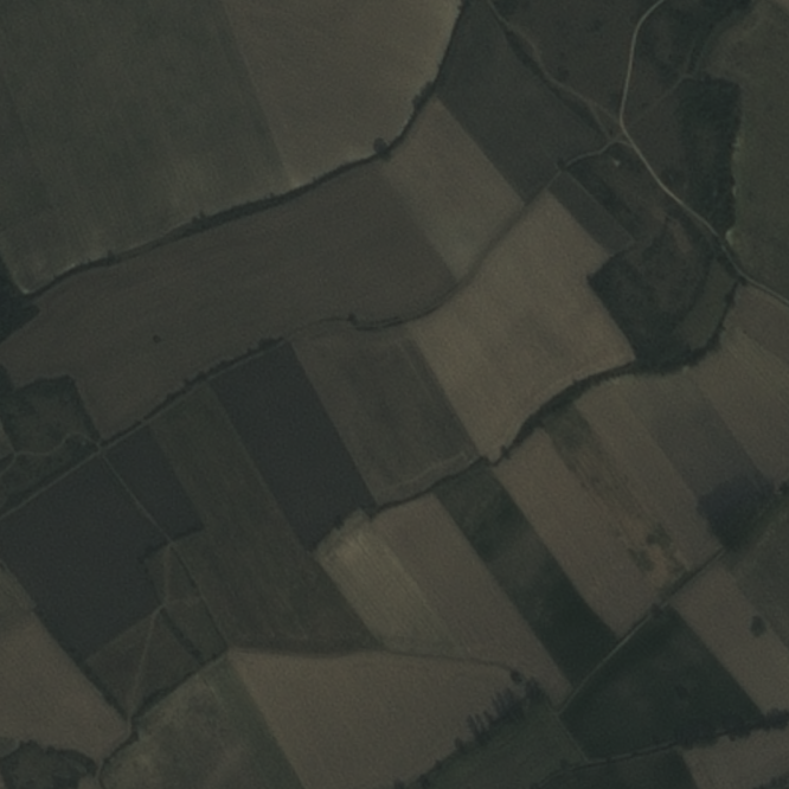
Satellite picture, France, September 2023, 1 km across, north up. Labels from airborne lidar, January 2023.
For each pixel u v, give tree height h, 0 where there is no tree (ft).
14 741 0
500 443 0
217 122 0
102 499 0
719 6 19
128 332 0
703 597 0
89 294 0
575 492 0
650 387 0
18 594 0
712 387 0
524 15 0
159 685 0
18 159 0
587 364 0
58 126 0
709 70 0
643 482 0
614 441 0
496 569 0
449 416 0
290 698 0
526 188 0
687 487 0
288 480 0
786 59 0
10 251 0
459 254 0
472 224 0
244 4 0
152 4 0
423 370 0
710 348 31
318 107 0
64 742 0
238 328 0
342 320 0
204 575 0
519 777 0
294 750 0
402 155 0
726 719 0
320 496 0
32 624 0
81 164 0
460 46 0
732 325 0
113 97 0
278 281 0
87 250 0
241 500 0
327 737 0
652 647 0
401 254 0
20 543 0
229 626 0
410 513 0
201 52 0
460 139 0
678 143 0
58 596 0
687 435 0
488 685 0
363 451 0
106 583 0
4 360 0
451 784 0
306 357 0
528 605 0
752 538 0
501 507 0
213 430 0
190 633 0
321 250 0
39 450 0
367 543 0
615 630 0
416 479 0
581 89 0
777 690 0
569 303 0
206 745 0
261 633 0
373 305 0
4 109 0
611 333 0
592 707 0
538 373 0
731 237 0
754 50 0
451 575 0
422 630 0
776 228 0
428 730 0
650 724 0
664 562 0
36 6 0
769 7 0
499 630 0
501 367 0
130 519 0
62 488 0
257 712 0
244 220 0
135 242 0
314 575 0
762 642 0
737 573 0
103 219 0
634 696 0
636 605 0
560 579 0
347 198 0
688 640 0
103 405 0
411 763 0
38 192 0
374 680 0
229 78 0
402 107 0
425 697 0
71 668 0
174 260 0
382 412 0
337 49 0
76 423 0
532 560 0
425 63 0
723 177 26
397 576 0
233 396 0
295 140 0
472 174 0
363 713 0
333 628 0
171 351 0
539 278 0
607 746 0
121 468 0
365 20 0
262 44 0
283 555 0
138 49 0
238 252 0
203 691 0
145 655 0
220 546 0
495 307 0
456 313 0
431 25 0
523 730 0
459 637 0
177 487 0
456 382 0
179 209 0
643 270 0
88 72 0
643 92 0
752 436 0
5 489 0
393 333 0
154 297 0
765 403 0
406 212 0
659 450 0
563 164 29
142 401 0
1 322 27
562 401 36
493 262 0
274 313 0
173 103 0
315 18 0
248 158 0
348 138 0
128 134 0
